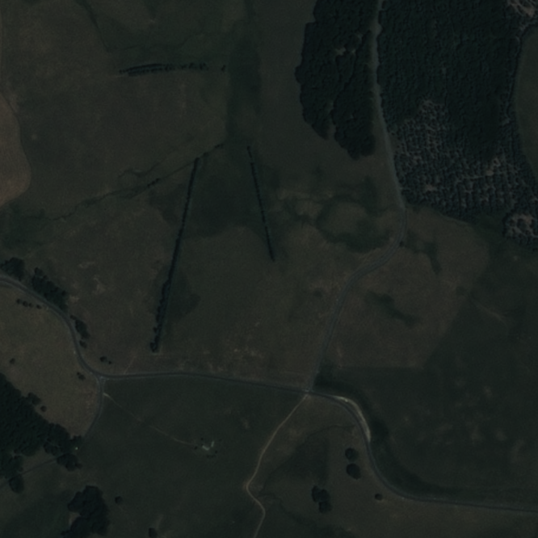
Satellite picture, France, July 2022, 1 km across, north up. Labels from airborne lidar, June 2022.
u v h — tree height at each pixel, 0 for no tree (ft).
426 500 0
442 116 41
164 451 0
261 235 0
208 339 0
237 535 0
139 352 0
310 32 54
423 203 45
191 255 0
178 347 0
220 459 0
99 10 0
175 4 0
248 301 0
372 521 0
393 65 43
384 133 0
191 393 0
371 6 62
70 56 0
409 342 0
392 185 0
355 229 0
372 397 0
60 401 0
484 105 51
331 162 0
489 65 34
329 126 49
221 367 0
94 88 0
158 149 0
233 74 0
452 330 0
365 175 0
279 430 0
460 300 0
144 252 0
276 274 0
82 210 0
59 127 0
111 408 0
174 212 0
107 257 0
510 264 0
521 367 0
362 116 51
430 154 44
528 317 0
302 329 0
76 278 0
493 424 0
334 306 0
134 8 0
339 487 0
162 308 39
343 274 0
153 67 52
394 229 0
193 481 0
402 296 0
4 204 0
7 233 0
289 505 0
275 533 0
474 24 45
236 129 0
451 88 51
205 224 0
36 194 0
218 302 0
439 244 0
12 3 0
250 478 0
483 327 0
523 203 48
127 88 0
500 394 0
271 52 0
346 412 0
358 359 0
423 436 0
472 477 0
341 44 46
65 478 0
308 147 0
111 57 0
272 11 0
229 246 0
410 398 0
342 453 0
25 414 41
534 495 0
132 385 0
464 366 0
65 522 0
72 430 0
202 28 0
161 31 0
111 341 0
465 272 0
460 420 0
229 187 0
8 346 0
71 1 0
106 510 58
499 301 0
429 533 0
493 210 53
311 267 0
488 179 47
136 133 0
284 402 0
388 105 39
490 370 0
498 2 42
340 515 0
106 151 0
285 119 0
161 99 0
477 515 0
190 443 0
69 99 0
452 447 0
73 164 0
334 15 62
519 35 48
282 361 0
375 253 0
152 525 0
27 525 0
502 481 0
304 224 0
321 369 0
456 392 0
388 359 0
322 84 44
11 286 0
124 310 0
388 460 0
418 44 47
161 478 0
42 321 0
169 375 0
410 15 47
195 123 0
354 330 0
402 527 0
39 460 0
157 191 0
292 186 0
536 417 0
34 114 0
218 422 0
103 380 0
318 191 0
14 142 0
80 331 49
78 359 0
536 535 0
